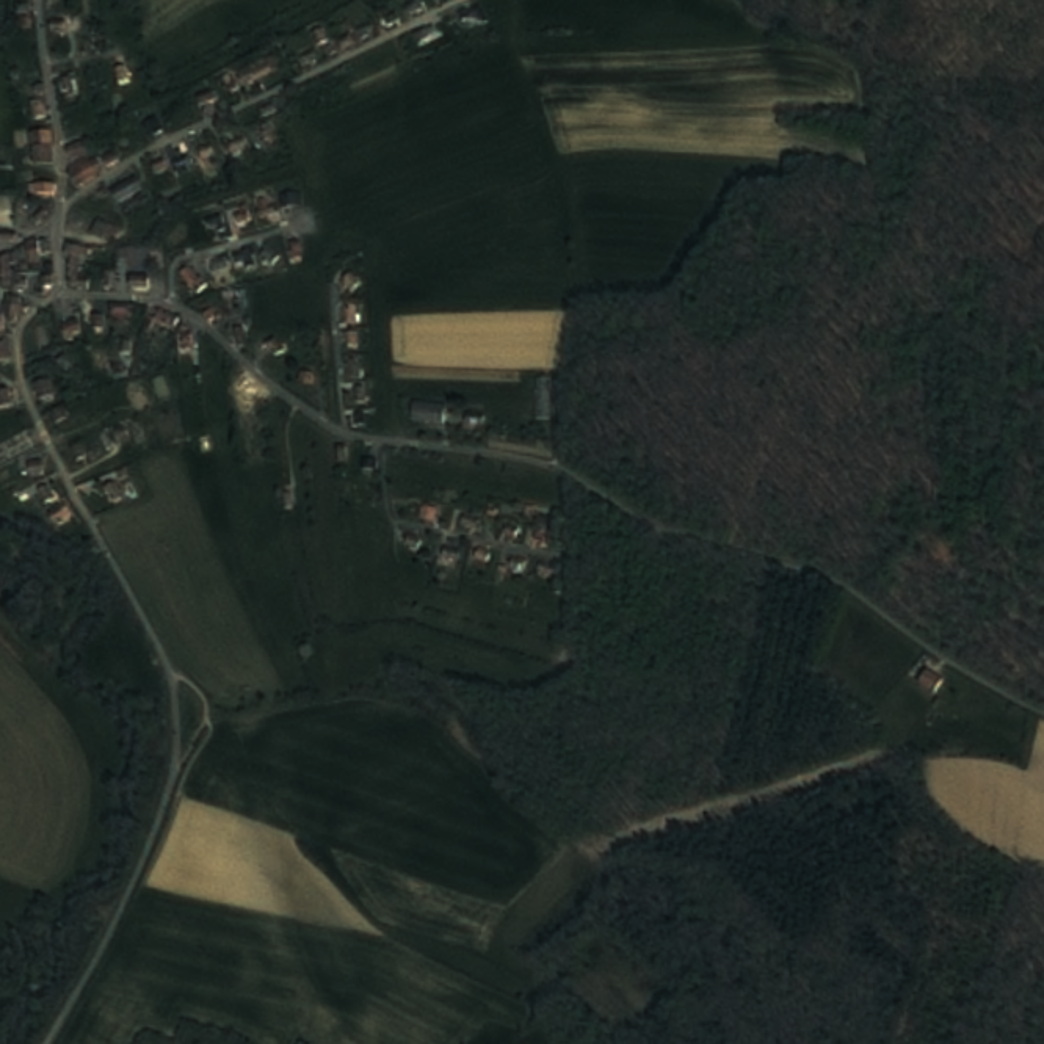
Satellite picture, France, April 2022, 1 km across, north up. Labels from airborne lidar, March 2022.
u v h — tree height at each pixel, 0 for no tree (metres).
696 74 0
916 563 25
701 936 25
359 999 0
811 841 24
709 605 24
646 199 0
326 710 0
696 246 7
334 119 0
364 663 0
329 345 0
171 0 0
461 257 0
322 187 0
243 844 0
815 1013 14
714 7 0
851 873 24
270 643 0
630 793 28
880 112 23
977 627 23
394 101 0
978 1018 20
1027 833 0
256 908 0
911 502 21
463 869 0
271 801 0
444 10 0
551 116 0
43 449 0
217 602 0
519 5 0
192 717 0
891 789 23
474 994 0
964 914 8
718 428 27
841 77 0
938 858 10
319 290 0
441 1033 0
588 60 0
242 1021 0
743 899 25
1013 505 25
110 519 0
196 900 0
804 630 22
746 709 20
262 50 12
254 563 0
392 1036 0
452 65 0
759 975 21
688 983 25
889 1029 17
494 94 0
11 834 0
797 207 31
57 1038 0
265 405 16
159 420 0
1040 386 17
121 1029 0
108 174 0
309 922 0
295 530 0
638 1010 0
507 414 0
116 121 9
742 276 27
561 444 19
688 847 24
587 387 25
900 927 21
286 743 0
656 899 26
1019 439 25
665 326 27
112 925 0
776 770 15
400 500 0
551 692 20
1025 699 16
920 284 25
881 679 0
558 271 0
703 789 25
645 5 0
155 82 12
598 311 27
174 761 0
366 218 0
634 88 0
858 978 15
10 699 0
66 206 0
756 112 0
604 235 0
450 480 0
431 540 9
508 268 0
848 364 29
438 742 0
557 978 20
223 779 0
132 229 0
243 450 13
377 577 0
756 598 25
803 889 25
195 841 0
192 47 0
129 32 0
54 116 0
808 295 26
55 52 7
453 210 0
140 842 20
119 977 0
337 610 0
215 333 0
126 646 0
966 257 25
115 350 10
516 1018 0
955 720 0
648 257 0
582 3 0
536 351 0
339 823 0
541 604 0
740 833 23
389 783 0
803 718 17
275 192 0
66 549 21
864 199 28
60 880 0
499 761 25
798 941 24
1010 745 0
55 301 0
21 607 20
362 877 0
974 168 26
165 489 0
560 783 28
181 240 0
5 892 0
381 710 0
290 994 0
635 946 20
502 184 0
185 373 0
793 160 14
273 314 0
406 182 0
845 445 16
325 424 0
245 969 0
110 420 0
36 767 0
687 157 0
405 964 0
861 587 14
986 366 22
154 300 0
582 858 0
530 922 0
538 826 13
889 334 24
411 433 0
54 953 23
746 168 0
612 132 0
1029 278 26
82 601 15
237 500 0
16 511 0
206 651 0
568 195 0
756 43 0
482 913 0
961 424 19
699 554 26
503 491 0
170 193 0
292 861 0
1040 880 25
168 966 0
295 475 0
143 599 0
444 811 0
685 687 23
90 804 0
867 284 26
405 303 0
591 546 22
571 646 21
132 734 20
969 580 25
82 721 0
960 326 22
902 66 16
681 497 26
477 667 0
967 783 0
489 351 0
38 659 0
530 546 0
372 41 0
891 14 17
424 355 0
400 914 0
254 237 0
